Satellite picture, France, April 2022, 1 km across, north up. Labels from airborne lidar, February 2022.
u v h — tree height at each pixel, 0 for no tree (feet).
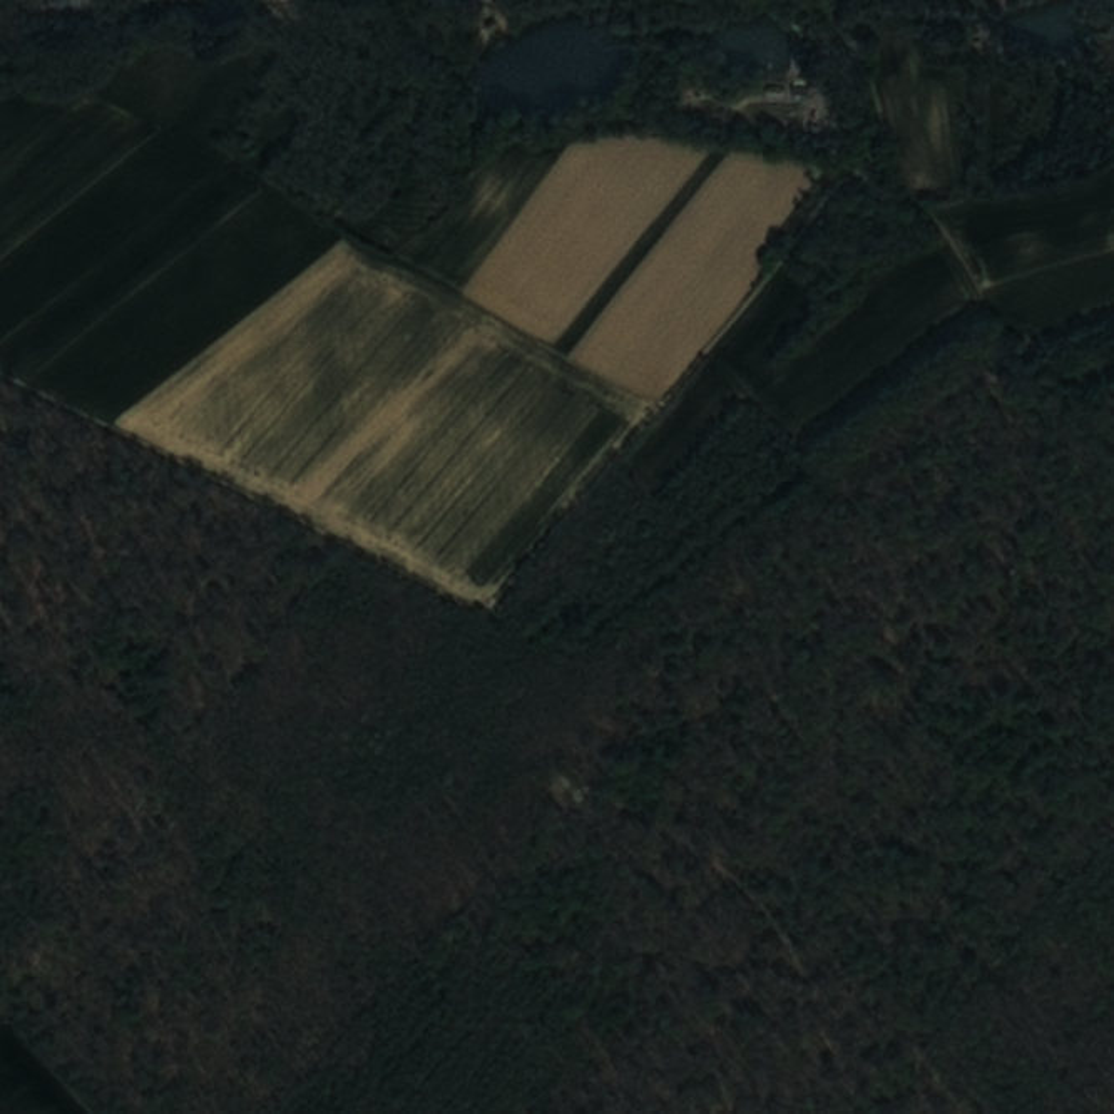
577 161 0
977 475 103
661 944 80
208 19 85
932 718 92
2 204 0
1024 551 96
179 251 0
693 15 82
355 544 43
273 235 0
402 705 62
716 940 98
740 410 56
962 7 65
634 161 0
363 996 52
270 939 56
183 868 86
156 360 0
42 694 62
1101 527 96
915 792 89
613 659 57
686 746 48
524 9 95
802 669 93
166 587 96
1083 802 107
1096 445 98
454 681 58
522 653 60
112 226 0
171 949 83
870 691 89
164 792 68
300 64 76
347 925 51
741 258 0
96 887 81
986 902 92
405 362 0
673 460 0
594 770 53
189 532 93
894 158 71
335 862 55
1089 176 87
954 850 98
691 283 0
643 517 37
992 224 0
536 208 0
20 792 58
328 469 0
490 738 61
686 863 95
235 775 56
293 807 51
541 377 0
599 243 0
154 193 0
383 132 79
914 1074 82
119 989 93
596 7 35
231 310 0
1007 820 90
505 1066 54
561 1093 54
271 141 0
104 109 0
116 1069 80
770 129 68
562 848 88
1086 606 100
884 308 0
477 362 0
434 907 69
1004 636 21
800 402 0
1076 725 93
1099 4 73
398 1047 57
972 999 101
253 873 68
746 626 94
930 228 71
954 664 94
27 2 81
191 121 0
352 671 60
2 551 44
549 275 0
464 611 56
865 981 84
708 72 94
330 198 48
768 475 45
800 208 35
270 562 97
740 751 79
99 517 103
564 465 0
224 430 0
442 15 88
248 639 80
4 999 60
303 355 0
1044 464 101
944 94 0
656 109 95
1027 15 0
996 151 23
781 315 0
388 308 0
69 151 0
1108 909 93
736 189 0
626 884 76
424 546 0
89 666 75
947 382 102
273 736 61
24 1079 0
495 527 0
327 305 0
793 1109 94
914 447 50
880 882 94
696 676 30
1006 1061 102
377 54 77
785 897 68
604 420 0
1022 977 97
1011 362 56
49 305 0
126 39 76
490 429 0
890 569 89
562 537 52
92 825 69
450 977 62
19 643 69
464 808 61
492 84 0
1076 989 98
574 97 33
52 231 0
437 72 84
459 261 0
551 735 59
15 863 66
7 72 86
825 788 81
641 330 0
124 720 62
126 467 75
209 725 61
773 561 94
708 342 0
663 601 66
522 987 53
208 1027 75
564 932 63
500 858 76
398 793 54
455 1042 49
